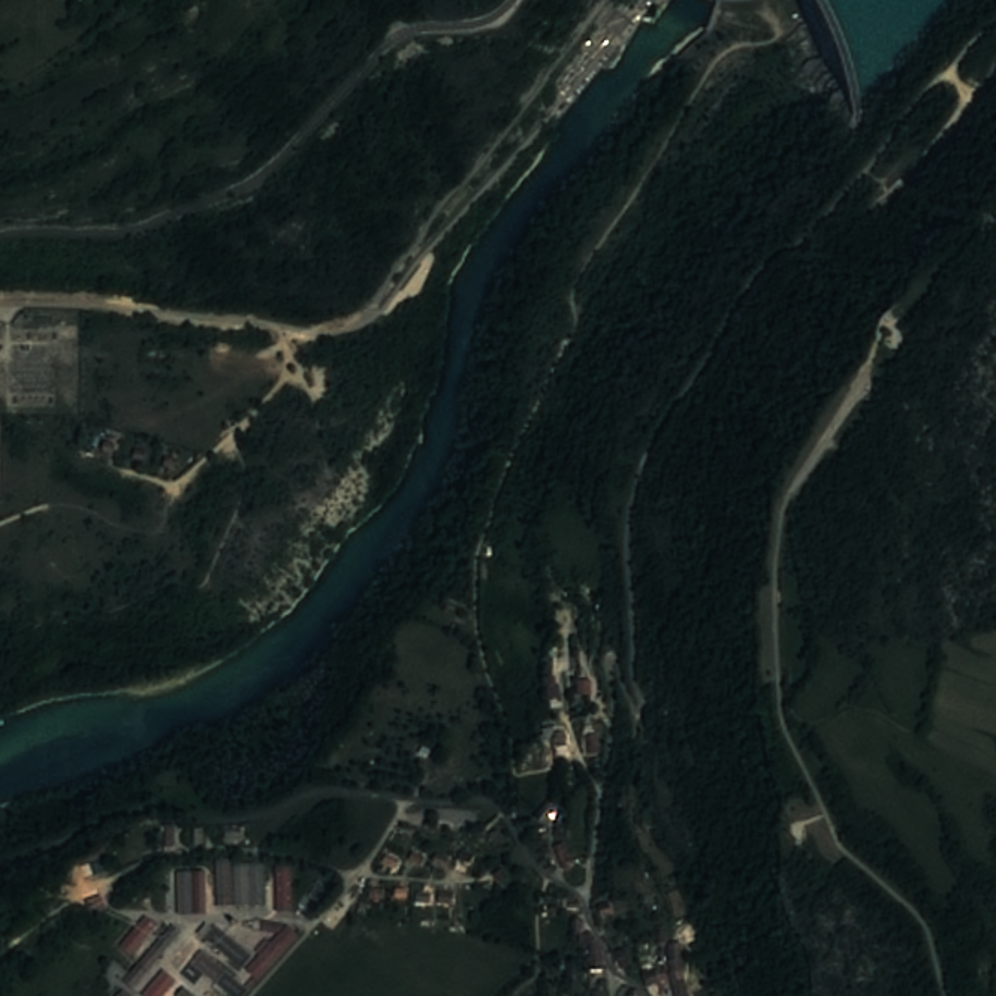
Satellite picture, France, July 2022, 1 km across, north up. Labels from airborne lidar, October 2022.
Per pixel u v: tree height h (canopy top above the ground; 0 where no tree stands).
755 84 12
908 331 14
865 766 0
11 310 0
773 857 15
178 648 6
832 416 0
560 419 13
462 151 10
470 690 0
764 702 8
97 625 6
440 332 7
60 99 0
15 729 0
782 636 0
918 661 0
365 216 10
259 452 11
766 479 20
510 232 0
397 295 0
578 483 13
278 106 10
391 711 0
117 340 0
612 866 11
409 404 12
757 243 7
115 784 26
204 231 14
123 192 7
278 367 0
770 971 19
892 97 11
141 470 14
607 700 7
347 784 11
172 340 10
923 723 8
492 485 13
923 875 6
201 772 17
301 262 8
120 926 10
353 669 17
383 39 12
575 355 15
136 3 14
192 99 6
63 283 6
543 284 13
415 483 0
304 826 5
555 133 9
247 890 0
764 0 0
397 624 16
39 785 0
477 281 0
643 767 14
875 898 12
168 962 0
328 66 10
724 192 9
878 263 16
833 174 14
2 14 0
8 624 9
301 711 6
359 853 13
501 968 0
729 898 7
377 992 0
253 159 9
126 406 0
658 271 10
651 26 0
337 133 9
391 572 14
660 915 8
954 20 12
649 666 9
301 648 0
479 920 10
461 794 15
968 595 7
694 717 12
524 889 6
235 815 16
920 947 10
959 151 16
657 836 6
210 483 11
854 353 19
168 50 7
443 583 9
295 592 11
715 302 9
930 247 15
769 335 11
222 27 0
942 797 9
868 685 13
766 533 17
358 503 6
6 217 20
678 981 0
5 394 0
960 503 8
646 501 13
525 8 7
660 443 12
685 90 9
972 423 6
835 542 8
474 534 7
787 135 13
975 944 7
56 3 0
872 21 0
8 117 0
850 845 12
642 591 11
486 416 17
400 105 15
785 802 8
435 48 12
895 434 6
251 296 10
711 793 15
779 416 21
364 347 10
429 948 0
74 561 0
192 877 0
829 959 6
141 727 0
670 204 14
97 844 10
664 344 12
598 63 0
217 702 0
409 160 14
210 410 0
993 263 6
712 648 8
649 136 10
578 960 8
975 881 9
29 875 23
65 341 0
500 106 13
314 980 0
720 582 15
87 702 0
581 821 0
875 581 7
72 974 0
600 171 14
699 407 13
